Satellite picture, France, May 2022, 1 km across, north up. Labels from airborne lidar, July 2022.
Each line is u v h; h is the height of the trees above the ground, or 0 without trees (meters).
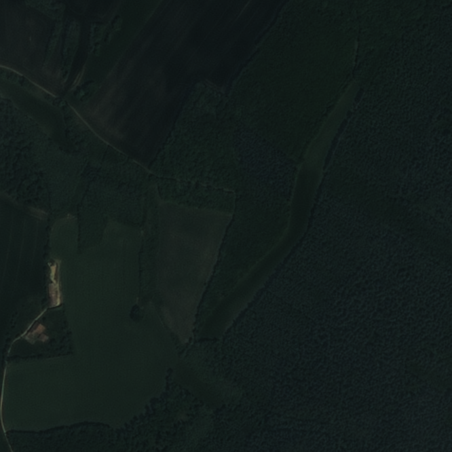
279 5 0
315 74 9
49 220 7
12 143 34
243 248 17
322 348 26
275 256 0
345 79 9
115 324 0
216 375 27
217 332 0
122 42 0
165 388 0
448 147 19
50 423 0
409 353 19
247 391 15
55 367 0
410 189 22
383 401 21
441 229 21
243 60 0
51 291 0
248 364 14
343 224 19
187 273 0
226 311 0
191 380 0
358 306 27
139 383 0
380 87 17
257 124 13
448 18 19
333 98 8
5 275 0
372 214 16
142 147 0
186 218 0
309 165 0
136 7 0
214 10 0
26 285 0
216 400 0
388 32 20
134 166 13
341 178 13
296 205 0
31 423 0
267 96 13
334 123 0
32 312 0
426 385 25
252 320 18
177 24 0
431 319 25
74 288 0
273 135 17
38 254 0
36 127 15
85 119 0
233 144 18
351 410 27
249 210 15
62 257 0
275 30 12
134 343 0
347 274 19
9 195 24
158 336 0
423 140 24
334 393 28
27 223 0
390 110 13
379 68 16
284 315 19
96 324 0
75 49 16
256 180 19
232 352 10
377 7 17
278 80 11
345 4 19
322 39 10
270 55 15
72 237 0
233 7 0
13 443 15
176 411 26
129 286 0
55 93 0
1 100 18
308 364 26
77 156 22
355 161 15
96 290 0
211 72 0
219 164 16
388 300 31
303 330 20
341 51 8
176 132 16
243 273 16
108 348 0
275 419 28
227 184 13
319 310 17
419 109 16
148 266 7
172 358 0
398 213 14
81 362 0
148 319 0
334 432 26
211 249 0
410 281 27
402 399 27
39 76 0
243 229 14
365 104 14
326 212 14
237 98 19
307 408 21
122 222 17
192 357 20
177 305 0
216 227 0
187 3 0
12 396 0
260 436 24
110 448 23
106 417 0
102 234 11
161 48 0
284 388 27
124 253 0
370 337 13
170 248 0
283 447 27
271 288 20
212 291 14
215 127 21
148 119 0
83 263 0
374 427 24
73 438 22
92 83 12
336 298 24
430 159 30
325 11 15
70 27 18
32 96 0
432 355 24
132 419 0
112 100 0
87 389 0
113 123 0
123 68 0
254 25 0
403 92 14
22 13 0
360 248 17
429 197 23
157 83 0
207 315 16
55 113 0
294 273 21
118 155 11
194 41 0
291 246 0
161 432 19
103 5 0
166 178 11
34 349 0
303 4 16
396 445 25
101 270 0
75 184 16
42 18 0
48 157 25
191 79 0
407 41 12
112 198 24
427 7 19
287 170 21
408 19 19
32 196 17
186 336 0
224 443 15
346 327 14
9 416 0
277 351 15
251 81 14
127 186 19
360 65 17
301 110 10
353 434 24
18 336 7
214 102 25
